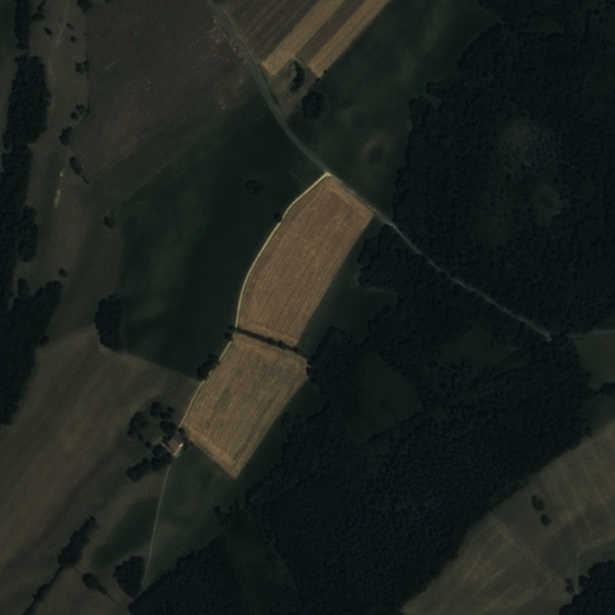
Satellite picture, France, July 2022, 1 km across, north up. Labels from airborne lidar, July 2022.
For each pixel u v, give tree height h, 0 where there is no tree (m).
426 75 0
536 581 0
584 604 14
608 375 0
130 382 0
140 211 0
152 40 0
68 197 0
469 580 0
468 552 0
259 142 0
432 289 24
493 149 17
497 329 9
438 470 16
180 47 0
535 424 22
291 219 0
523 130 0
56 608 0
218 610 16
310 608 22
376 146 0
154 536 0
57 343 0
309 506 7
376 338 17
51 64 0
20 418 0
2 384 20
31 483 0
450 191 20
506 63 20
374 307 0
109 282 0
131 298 0
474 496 23
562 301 25
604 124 14
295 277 0
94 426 0
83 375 0
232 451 0
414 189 26
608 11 12
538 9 14
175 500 0
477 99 24
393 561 22
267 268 0
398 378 0
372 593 26
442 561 24
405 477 16
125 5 0
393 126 0
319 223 0
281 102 0
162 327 0
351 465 6
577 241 13
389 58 0
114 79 0
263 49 0
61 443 0
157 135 0
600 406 0
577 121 17
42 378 0
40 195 0
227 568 8
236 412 0
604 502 0
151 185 0
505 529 0
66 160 0
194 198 0
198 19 0
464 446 22
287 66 0
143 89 0
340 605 25
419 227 21
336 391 19
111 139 0
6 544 0
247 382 0
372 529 23
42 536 0
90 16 0
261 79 0
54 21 0
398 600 16
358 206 0
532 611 0
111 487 0
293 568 13
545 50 18
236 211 0
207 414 0
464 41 0
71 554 22
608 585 14
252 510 6
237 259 0
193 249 0
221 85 0
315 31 0
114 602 0
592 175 5
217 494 0
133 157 0
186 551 0
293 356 0
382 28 0
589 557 0
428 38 0
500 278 17
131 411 0
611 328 0
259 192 13
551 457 17
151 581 0
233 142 0
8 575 0
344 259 0
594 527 0
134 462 0
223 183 0
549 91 22
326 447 25
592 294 21
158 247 0
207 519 0
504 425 25
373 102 0
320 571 17
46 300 19
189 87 0
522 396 20
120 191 0
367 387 0
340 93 0
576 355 13
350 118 0
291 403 0
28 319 19
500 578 0
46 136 0
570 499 0
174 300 0
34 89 18
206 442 0
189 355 0
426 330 20
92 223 0
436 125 21
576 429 23
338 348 22
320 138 0
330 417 21
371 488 18
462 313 20
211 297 0
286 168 0
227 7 0
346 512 12
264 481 12
